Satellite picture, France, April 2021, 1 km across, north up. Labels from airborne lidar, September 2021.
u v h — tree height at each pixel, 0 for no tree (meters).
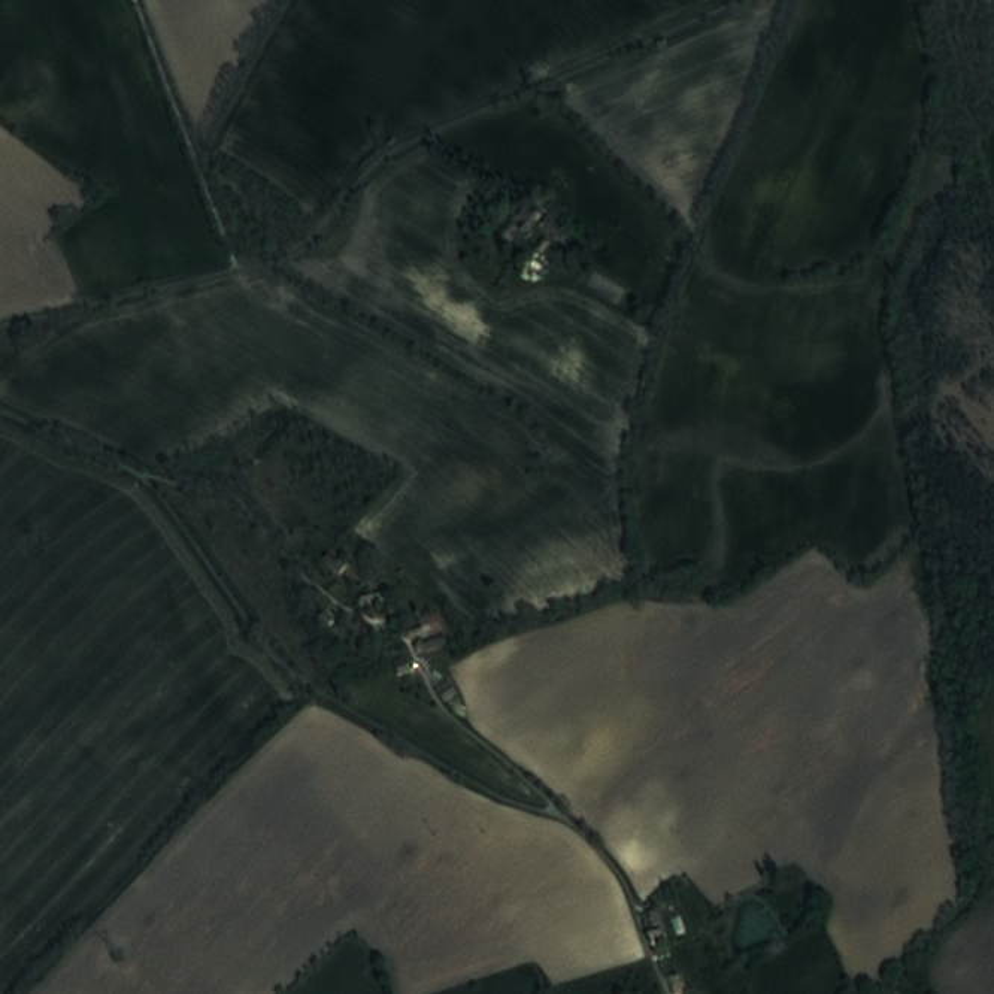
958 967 0
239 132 0
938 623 9
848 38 0
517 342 0
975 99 17
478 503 0
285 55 0
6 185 0
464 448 0
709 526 0
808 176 0
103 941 0
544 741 0
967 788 19
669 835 0
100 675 0
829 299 0
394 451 0
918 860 0
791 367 0
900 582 0
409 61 0
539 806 0
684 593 12
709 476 0
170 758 0
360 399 0
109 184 0
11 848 0
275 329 0
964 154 21
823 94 0
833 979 0
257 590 0
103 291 0
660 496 0
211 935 0
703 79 0
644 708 0
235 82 21
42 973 12
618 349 0
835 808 0
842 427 0
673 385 0
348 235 0
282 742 0
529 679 0
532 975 0
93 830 0
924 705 0
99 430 0
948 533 18
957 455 11
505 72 0
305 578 16
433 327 0
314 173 0
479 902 0
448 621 15
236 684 0
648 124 0
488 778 0
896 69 0
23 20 0
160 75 15
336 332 0
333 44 0
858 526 0
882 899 0
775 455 0
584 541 0
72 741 0
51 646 0
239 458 8
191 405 0
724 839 0
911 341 10
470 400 0
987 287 9
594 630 0
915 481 12
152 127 0
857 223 0
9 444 0
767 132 0
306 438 12
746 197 0
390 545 0
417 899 0
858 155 0
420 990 0
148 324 0
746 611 0
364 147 0
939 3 12
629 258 0
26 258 0
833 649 0
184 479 18
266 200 20
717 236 0
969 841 20
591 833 11
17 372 0
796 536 0
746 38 0
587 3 0
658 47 11
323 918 0
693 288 0
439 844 0
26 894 0
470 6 0
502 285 6
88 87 0
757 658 0
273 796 0
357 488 12
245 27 0
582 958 0
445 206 0
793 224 0
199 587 0
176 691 0
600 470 0
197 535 0
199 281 0
